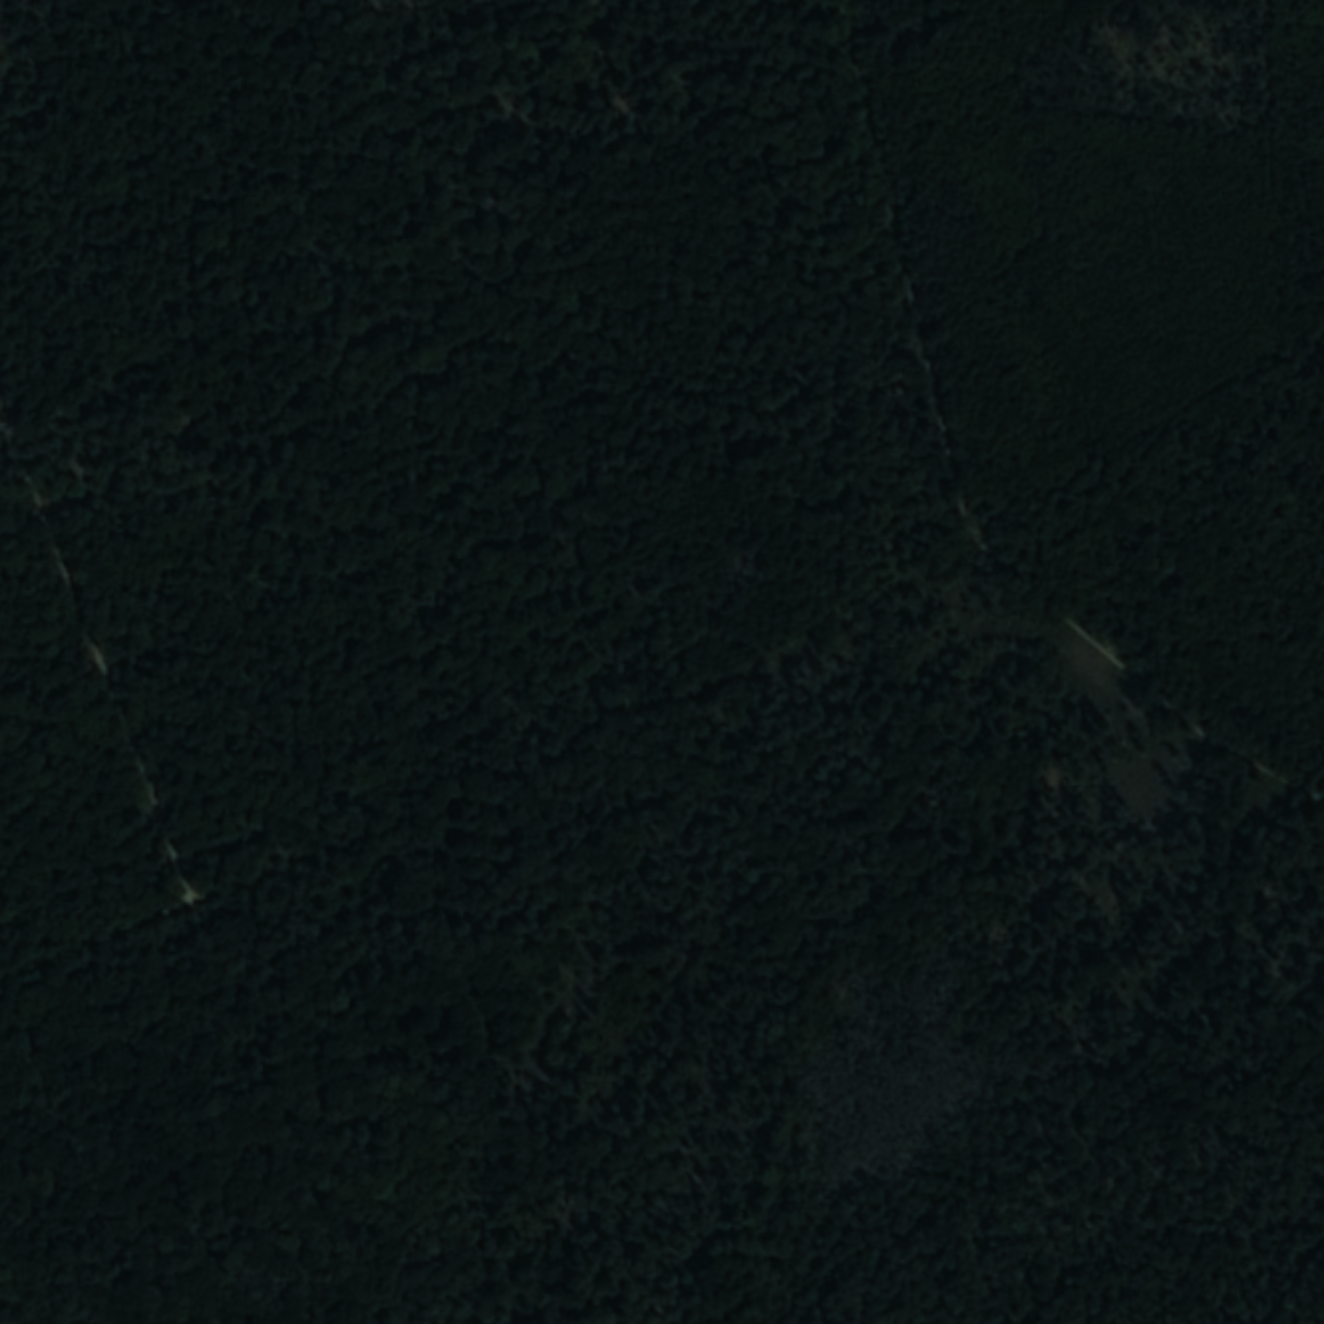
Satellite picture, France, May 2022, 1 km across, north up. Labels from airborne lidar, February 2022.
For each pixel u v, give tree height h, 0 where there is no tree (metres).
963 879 34
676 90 34
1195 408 20
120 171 20
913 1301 26
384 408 28
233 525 20
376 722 27
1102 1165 31
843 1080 23
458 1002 30
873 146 20
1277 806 10
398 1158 33
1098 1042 33
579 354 25
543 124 21
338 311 28
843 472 27
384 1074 33
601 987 11
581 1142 33
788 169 30
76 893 23
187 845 19
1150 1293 21
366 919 26
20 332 23
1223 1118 29
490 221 29
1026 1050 23
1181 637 28
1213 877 34
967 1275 28
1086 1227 28
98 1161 31
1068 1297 18
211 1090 27
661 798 33
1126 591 26
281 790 21
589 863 30
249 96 26
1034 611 27
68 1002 21
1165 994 36
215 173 25
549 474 31
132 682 21
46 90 16
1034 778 18
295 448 31
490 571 23
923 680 9
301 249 27
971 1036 28
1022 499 21
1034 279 19
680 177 20
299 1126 31
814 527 24
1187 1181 32
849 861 34
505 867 31
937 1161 26
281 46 24
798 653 0
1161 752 0
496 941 32
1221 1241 33
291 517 25
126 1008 23
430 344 29
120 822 25
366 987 30
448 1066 31
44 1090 27
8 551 25
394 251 32
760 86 34
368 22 27
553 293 28
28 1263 25
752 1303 30
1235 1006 32
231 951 27
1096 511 24
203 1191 28
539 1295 31
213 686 25
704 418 20
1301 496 28
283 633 24
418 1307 30
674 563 21
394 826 31
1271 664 23
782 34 25
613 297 26
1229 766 25
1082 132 16
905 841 34
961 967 23
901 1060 23
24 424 23
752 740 32
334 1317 25
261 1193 31
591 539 28
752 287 29
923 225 25
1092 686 0
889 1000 22
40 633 27
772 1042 33
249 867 24
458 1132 31
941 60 24
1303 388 25
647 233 26
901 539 28
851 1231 26
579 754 32
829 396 29
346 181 29
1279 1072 32
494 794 27
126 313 26
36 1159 28
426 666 25
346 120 28
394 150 26
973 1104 21
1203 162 15
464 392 28
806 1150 26
